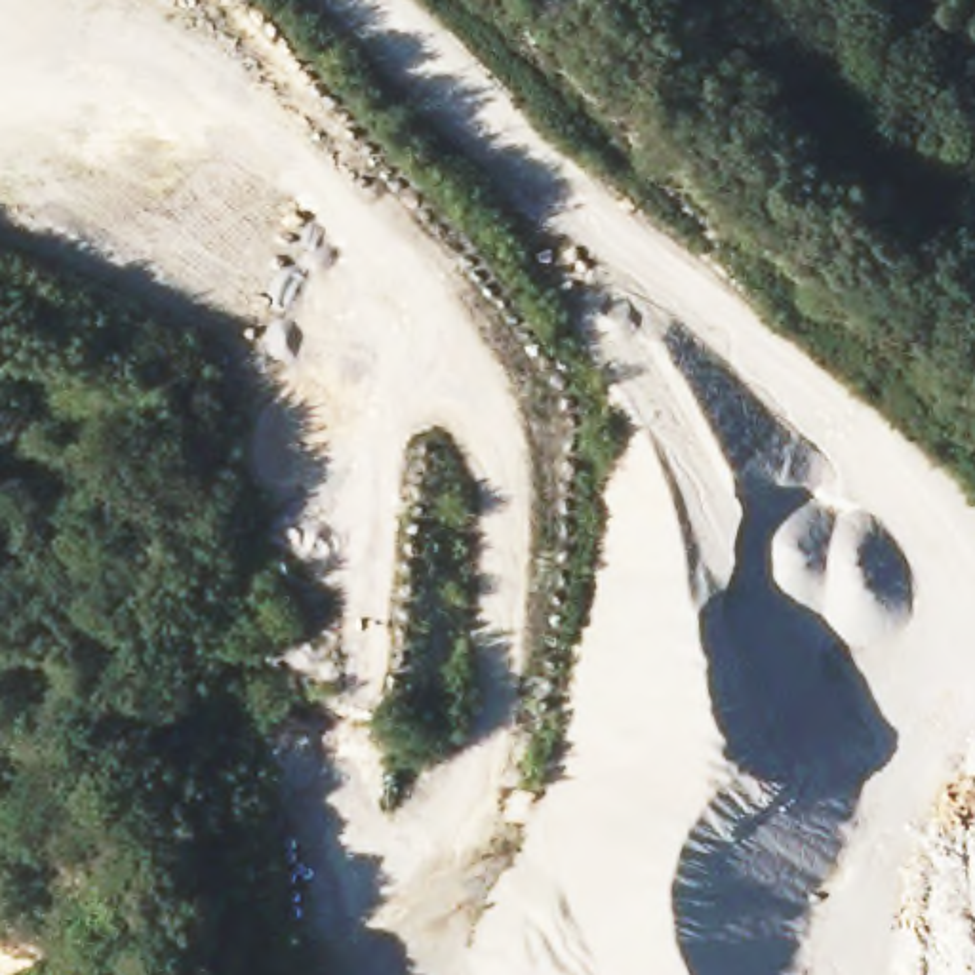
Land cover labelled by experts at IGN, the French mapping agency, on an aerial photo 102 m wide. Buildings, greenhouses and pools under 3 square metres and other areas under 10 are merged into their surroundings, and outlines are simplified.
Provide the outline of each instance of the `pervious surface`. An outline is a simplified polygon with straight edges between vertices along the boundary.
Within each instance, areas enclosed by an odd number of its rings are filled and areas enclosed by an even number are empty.
[[[514,724],[503,727],[468,746],[465,754],[423,769],[419,777],[411,769],[385,773],[381,746],[373,743],[373,712],[392,689],[392,678],[404,659],[411,594],[408,567],[419,526],[419,484],[427,472],[423,430],[449,430],[453,442],[465,449],[472,476],[491,491],[491,510],[480,518],[480,571],[488,575],[488,594],[480,598],[480,625],[488,628],[488,644],[507,647],[507,663],[514,674],[526,667],[529,541],[529,533],[533,488],[522,415],[510,396],[507,369],[484,347],[484,339],[491,335],[491,320],[507,308],[488,289],[491,282],[499,282],[499,274],[491,270],[491,263],[484,263],[476,240],[457,232],[449,217],[438,206],[430,206],[430,198],[415,183],[404,179],[404,171],[388,156],[373,156],[350,133],[347,118],[335,110],[331,99],[324,99],[312,88],[289,46],[274,38],[274,27],[263,19],[255,0],[0,0],[0,206],[23,229],[53,232],[61,240],[72,240],[76,248],[99,251],[107,263],[118,267],[141,263],[145,270],[152,270],[156,282],[187,289],[198,301],[240,316],[244,339],[255,347],[259,373],[278,381],[282,388],[267,408],[259,408],[251,434],[251,468],[263,488],[274,488],[278,507],[297,522],[289,529],[289,548],[301,560],[308,560],[328,587],[343,594],[343,617],[320,636],[320,644],[305,644],[286,655],[267,655],[267,667],[293,667],[308,678],[308,701],[293,705],[282,724],[263,731],[263,739],[270,743],[274,762],[286,769],[282,807],[293,815],[293,834],[286,842],[286,857],[293,868],[289,906],[293,918],[324,918],[331,975],[975,975],[975,507],[941,465],[933,465],[899,430],[891,430],[865,400],[838,385],[826,369],[819,369],[792,339],[773,335],[746,305],[743,286],[716,259],[686,251],[647,213],[617,198],[617,190],[606,179],[587,171],[575,156],[560,152],[552,141],[545,141],[529,126],[529,118],[510,103],[503,80],[495,80],[453,30],[446,30],[430,15],[430,0],[301,0],[324,27],[331,27],[362,57],[369,84],[381,91],[381,107],[400,107],[408,114],[408,126],[427,141],[438,168],[457,175],[465,187],[480,187],[484,206],[495,209],[507,232],[522,244],[522,270],[564,312],[564,320],[552,328],[541,350],[548,362],[567,362],[598,350],[602,362],[613,366],[617,381],[609,388],[609,404],[621,408],[632,423],[628,449],[606,484],[609,522],[594,583],[590,625],[583,628],[571,670],[564,777],[548,785],[545,800],[533,800],[518,777],[518,762],[529,754],[529,743],[526,735],[518,735]]]
[[[0,975],[15,975],[42,960],[38,945],[27,941],[11,945],[8,952],[0,948]]]

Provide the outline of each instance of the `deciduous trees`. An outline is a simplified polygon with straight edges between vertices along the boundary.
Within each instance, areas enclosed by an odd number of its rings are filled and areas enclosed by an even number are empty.
[[[449,430],[423,430],[427,472],[419,484],[419,526],[408,567],[411,594],[404,659],[392,678],[392,689],[373,712],[373,743],[381,746],[385,773],[411,769],[419,777],[423,769],[465,754],[468,746],[503,727],[507,708],[529,697],[529,686],[522,686],[514,674],[507,663],[507,647],[488,644],[488,628],[480,625],[480,598],[488,594],[488,575],[480,571],[480,518],[491,510],[491,491],[472,476],[465,449],[453,442]]]
[[[564,312],[522,270],[522,244],[507,232],[495,209],[484,206],[480,187],[465,187],[457,175],[438,168],[427,141],[408,126],[408,114],[400,107],[381,107],[381,91],[369,84],[362,57],[331,27],[324,27],[301,0],[255,0],[263,19],[274,27],[274,38],[289,46],[312,88],[324,99],[331,99],[335,110],[347,118],[350,133],[373,156],[388,156],[404,171],[404,179],[415,183],[430,198],[430,206],[438,206],[449,217],[457,232],[476,240],[484,263],[491,263],[491,270],[499,274],[499,282],[491,282],[488,289],[507,308],[510,316],[526,316],[529,339],[541,350],[552,328],[564,320]]]
[[[937,419],[952,427],[952,442],[960,449],[975,449],[975,0],[507,0],[507,15],[499,27],[518,23],[526,30],[522,50],[541,65],[541,72],[560,80],[579,72],[594,91],[613,99],[617,110],[628,110],[628,118],[655,118],[667,145],[686,152],[693,179],[720,202],[724,217],[769,232],[785,263],[800,267],[807,278],[823,270],[838,278],[842,305],[868,320],[868,339],[903,339],[906,331],[918,331],[922,347],[914,350],[910,381],[933,404]]]
[[[564,567],[594,583],[609,522],[606,484],[628,449],[632,423],[621,408],[609,404],[609,388],[617,381],[613,366],[602,362],[598,350],[567,362],[564,388],[575,423],[567,514],[552,514],[529,533],[529,541],[545,552],[567,552]]]
[[[301,560],[289,548],[289,529],[297,522],[278,507],[274,488],[263,488],[251,468],[251,434],[259,408],[267,408],[282,388],[278,381],[259,373],[255,347],[244,339],[240,316],[198,301],[187,289],[156,282],[152,270],[145,270],[141,263],[118,267],[107,263],[99,251],[76,248],[72,240],[61,240],[53,232],[23,229],[0,206],[0,948],[8,952],[11,945],[27,941],[38,945],[42,960],[15,975],[331,975],[324,918],[293,918],[289,906],[293,868],[286,857],[286,842],[293,834],[293,815],[282,807],[286,769],[274,762],[270,743],[263,739],[263,731],[282,724],[293,705],[308,701],[308,678],[293,667],[267,667],[267,655],[286,655],[305,644],[320,644],[320,636],[343,617],[343,594],[328,587],[308,560]]]

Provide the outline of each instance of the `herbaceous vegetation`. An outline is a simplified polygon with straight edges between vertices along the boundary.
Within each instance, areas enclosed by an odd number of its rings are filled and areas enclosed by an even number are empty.
[[[560,152],[575,156],[587,171],[606,179],[617,190],[617,198],[647,213],[686,251],[716,259],[743,286],[746,305],[773,335],[792,339],[819,369],[826,369],[838,385],[865,400],[891,430],[899,430],[933,465],[941,465],[975,507],[975,449],[960,449],[952,442],[952,427],[937,419],[933,404],[910,381],[914,350],[922,347],[918,331],[906,331],[903,339],[868,339],[868,320],[842,305],[838,278],[823,270],[807,278],[800,267],[785,263],[769,232],[724,217],[720,202],[693,179],[686,152],[667,145],[655,118],[628,118],[628,110],[617,110],[613,99],[594,91],[579,72],[560,80],[541,72],[541,65],[522,50],[526,30],[518,23],[499,27],[507,15],[507,0],[430,0],[430,15],[446,30],[453,30],[495,80],[503,80],[510,103],[529,118],[529,126],[545,141],[552,141]]]
[[[533,800],[545,800],[548,785],[564,777],[571,670],[583,628],[590,625],[594,583],[564,567],[567,552],[545,552],[529,541],[526,667],[514,674],[522,686],[529,686],[529,697],[507,708],[503,727],[514,724],[518,735],[526,735],[529,743],[529,754],[518,762],[518,777]]]
[[[491,320],[491,335],[484,339],[484,347],[507,369],[510,396],[522,415],[533,488],[529,533],[552,514],[567,514],[575,423],[564,388],[567,362],[548,362],[541,350],[529,339],[526,316],[510,316],[507,308]]]

